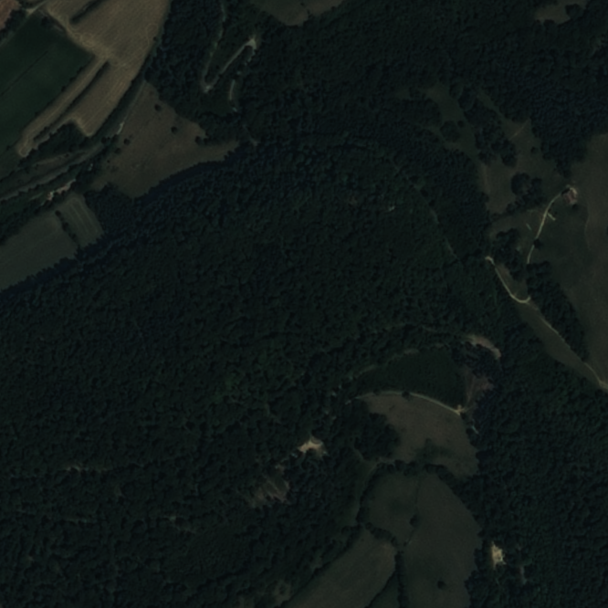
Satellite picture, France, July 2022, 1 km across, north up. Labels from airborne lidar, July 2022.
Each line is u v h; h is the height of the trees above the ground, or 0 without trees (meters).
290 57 26
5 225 10
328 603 0
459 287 21
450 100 0
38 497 28
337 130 17
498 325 23
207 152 0
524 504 25
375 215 15
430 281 20
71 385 24
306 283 26
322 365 30
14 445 22
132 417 26
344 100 26
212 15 24
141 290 20
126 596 25
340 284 24
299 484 27
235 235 18
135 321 19
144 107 0
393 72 29
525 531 23
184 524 27
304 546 26
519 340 32
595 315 0
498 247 8
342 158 29
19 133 0
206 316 31
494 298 27
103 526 27
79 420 23
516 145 17
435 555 0
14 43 0
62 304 22
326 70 22
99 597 21
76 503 28
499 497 26
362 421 18
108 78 0
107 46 0
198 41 35
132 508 26
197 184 25
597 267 0
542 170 0
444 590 12
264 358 25
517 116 24
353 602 0
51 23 16
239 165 31
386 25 17
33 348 19
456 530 0
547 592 22
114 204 23
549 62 35
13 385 17
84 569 10
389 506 0
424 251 17
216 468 31
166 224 32
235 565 8
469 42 19
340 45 18
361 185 24
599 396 21
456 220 21
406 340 26
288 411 33
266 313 30
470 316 16
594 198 0
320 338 29
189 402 26
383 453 18
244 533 6
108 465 27
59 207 0
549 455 23
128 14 0
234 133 31
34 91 0
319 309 23
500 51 28
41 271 0
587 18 30
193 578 12
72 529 29
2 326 29
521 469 29
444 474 20
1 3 0
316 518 20
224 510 28
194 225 29
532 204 7
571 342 18
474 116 29
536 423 19
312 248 21
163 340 23
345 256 26
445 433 0
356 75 32
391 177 26
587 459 12
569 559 16
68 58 0
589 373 0
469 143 0
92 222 0
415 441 0
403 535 0
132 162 0
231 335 22
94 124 0
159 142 0
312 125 14
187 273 22
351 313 29
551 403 19
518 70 29
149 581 22
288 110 31
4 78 0
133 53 0
